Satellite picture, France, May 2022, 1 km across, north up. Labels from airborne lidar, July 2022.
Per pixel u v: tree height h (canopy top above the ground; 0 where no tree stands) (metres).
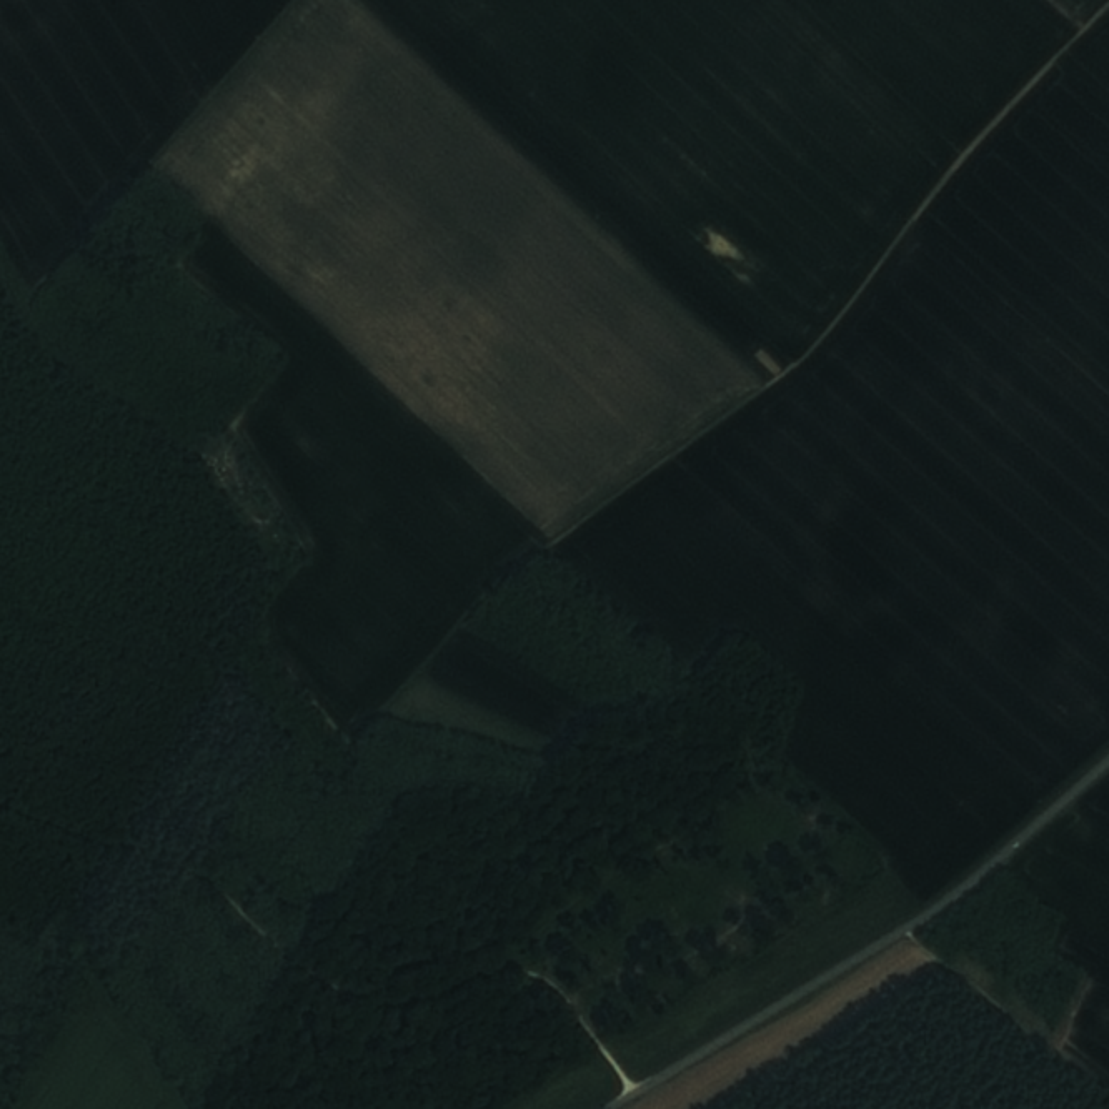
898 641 0
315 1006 28
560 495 0
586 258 0
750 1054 0
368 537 0
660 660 26
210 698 23
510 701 0
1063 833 0
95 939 33
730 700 20
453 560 0
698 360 0
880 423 0
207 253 0
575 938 28
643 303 0
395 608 0
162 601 17
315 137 0
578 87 0
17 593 16
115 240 25
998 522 0
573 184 0
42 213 0
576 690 9
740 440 0
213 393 5
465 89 0
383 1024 32
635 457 0
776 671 17
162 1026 23
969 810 0
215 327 14
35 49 0
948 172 0
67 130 0
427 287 0
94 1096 0
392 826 24
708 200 0
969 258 0
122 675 22
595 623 20
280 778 21
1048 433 0
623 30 0
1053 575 0
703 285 0
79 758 22
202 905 27
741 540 0
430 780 21
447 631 0
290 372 0
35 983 27
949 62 0
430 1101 29
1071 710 0
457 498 0
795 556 0
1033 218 0
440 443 0
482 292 0
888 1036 33
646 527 0
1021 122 0
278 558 8
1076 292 0
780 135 0
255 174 0
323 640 0
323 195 0
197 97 0
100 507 19
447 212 0
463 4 0
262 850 13
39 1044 29
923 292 0
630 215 0
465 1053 33
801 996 0
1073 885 0
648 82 0
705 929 0
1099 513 0
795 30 0
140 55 0
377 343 0
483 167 0
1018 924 17
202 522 18
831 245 0
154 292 10
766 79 0
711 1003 0
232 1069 29
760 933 27
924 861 0
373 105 0
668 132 0
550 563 19
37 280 0
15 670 19
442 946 31
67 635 17
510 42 0
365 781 18
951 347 0
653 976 28
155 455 21
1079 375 0
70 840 20
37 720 19
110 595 18
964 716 0
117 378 8
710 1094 0
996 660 0
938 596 0
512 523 0
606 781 27
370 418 0
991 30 0
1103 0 0
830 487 0
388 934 27
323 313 0
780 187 0
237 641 16
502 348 0
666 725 25
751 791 27
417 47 0
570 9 0
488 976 18
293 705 6
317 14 0
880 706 0
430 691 0
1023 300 0
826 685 0
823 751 0
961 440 0
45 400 18
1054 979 22
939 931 18
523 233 0
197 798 32
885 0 0
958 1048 33
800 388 0
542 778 26
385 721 16
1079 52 0
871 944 0
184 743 25
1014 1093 31
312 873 24
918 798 0
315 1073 25
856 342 0
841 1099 35
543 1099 0
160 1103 0
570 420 0
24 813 13
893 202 0
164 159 0
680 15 0
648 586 0
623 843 25
